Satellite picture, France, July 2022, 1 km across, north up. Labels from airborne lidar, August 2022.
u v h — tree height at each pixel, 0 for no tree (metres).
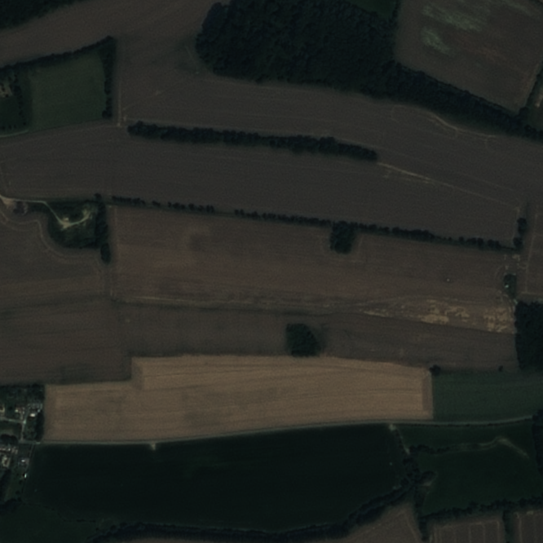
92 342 0
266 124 0
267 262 0
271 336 0
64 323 0
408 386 0
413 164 0
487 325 0
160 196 0
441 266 0
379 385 0
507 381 0
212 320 0
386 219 0
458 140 0
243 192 0
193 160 0
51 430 0
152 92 0
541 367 16
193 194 0
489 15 0
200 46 17
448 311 0
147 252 0
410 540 0
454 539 0
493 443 0
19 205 0
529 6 0
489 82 0
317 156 0
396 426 0
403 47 0
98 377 0
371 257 0
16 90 18
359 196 0
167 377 0
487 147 0
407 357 0
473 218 0
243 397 0
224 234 0
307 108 0
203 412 0
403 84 34
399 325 0
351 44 37
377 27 24
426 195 0
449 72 0
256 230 0
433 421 0
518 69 0
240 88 0
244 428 0
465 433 0
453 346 0
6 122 0
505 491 0
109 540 13
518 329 25
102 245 9
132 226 0
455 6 0
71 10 0
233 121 0
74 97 0
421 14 0
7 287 0
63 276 0
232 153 0
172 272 0
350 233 17
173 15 0
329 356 0
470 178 0
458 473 0
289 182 0
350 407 0
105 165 0
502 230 0
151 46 0
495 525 0
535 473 0
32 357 0
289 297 0
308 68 34
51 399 0
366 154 17
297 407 0
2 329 0
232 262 0
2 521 0
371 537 0
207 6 0
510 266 0
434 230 0
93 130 0
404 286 0
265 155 0
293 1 20
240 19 36
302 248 0
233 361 0
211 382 0
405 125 0
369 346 0
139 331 0
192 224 0
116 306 0
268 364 0
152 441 0
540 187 0
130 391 0
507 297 0
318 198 0
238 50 32
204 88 0
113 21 0
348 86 33
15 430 0
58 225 0
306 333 7
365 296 0
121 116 0
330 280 0
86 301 0
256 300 0
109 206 0
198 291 0
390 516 0
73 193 0
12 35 0
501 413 0
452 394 0
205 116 0
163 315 0
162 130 8
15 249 0
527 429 0
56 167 0
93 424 0
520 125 30
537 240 0
